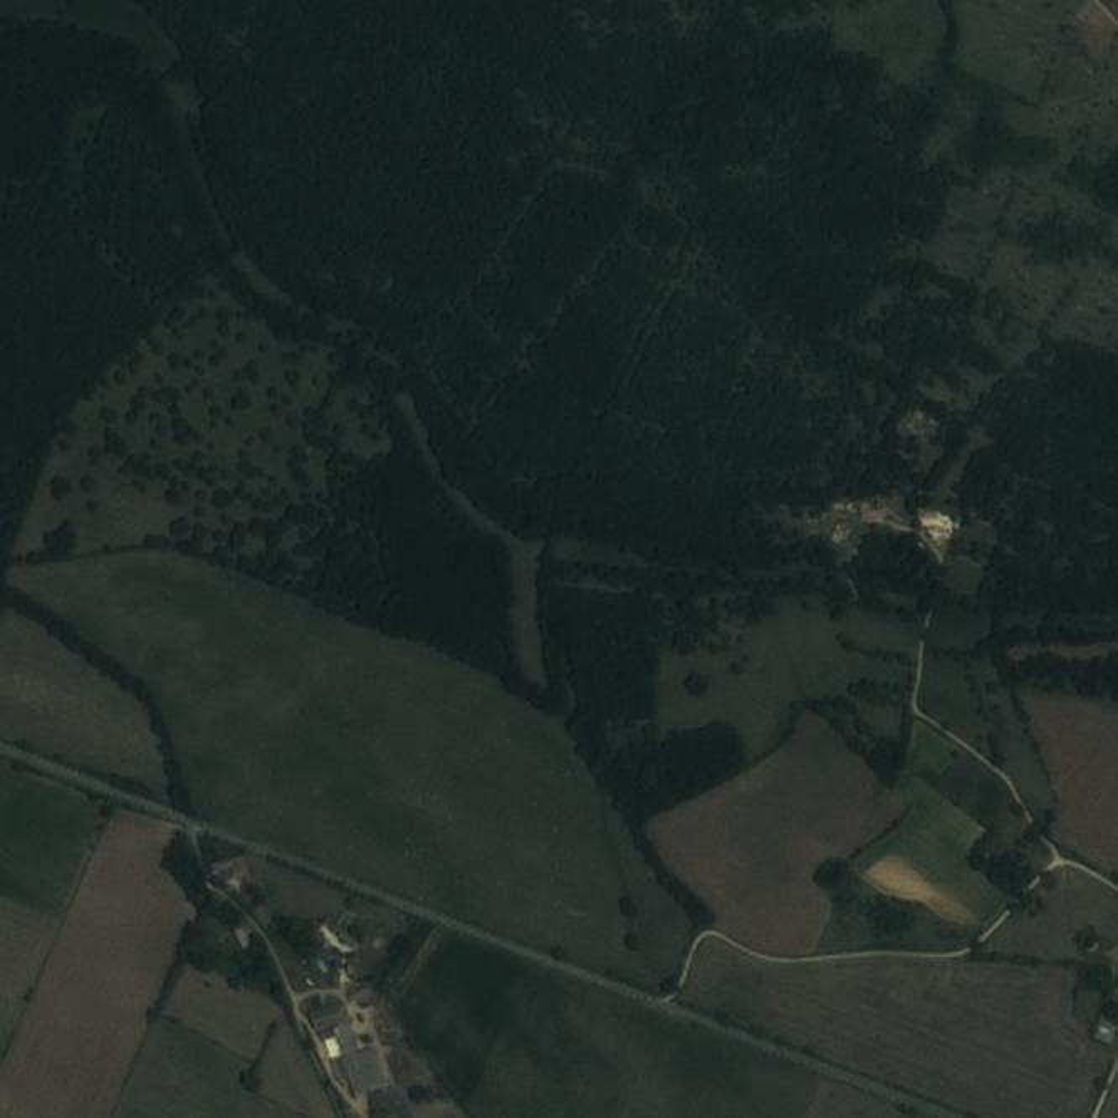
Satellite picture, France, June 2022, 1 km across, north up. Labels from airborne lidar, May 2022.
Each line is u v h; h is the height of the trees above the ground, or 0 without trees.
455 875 0
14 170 13
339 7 11
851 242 11
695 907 8
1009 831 0
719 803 0
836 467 13
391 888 0
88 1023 0
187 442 8
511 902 0
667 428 11
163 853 8
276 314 12
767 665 0
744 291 9
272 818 0
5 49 14
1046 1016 0
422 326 11
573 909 0
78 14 0
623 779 9
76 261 13
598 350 10
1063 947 0
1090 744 0
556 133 6
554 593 10
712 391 13
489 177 12
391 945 6
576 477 11
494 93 11
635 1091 0
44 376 13
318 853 0
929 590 10
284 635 0
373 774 0
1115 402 11
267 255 12
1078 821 0
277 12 10
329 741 0
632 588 14
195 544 10
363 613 15
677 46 11
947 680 0
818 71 7
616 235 9
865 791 0
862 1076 0
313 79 11
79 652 9
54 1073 0
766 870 0
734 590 11
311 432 11
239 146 12
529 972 0
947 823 0
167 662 0
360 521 15
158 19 10
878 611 10
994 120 5
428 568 17
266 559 14
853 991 0
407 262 10
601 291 11
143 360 10
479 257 11
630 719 11
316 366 0
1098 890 0
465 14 10
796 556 15
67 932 0
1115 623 0
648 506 12
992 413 9
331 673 0
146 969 0
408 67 12
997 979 0
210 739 0
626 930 0
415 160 10
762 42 7
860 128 8
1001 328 7
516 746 0
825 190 13
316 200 8
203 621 0
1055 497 11
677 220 7
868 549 9
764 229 13
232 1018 0
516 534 10
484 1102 0
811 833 0
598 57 8
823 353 8
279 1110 0
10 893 0
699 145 10
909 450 8
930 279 10
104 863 0
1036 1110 0
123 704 0
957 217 0
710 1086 0
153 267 10
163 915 0
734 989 0
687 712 0
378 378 16
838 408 9
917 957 0
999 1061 0
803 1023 0
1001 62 0
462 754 0
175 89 0
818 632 0
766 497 12
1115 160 6
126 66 7
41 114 16
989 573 12
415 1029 0
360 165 11
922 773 0
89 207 13
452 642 16
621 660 13
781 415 14
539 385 11
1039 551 8
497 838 0
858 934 0
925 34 0
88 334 15
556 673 15
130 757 0
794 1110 0
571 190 12
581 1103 0
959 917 0
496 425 10
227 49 9
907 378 8
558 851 0
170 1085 0
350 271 9
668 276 8
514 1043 0
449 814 0
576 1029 0
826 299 11
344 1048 0
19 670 0
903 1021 0
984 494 9
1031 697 0
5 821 0
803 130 10
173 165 12
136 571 0
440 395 13
